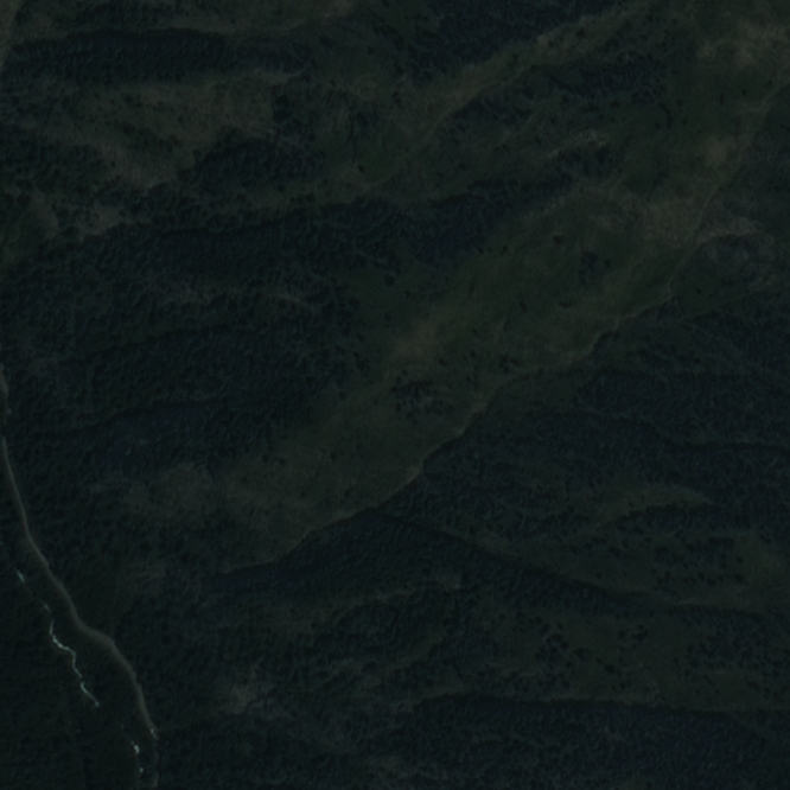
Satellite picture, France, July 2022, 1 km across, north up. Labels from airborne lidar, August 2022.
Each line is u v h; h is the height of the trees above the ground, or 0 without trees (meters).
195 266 17
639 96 10
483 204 18
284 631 6
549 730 18
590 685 0
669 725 13
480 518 8
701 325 10
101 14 18
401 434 0
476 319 0
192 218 19
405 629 20
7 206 7
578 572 0
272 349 8
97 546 11
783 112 0
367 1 0
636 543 0
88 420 12
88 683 16
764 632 7
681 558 6
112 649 0
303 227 21
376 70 0
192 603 6
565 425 8
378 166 0
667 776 9
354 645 12
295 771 9
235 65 7
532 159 0
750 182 0
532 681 10
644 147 0
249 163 29
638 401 18
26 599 24
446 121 0
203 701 13
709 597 0
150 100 0
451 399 0
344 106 7
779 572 0
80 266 6
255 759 10
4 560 23
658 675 0
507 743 17
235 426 18
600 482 9
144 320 7
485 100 0
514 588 13
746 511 10
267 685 13
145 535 7
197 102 0
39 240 9
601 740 12
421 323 0
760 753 8
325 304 16
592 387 8
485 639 9
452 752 13
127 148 12
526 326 0
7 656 18
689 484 8
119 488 12
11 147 6
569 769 11
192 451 8
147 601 8
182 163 11
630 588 0
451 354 0
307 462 0
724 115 0
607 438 15
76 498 12
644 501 6
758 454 11
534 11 13
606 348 0
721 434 12
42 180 7
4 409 6
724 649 11
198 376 15
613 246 0
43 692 22
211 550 8
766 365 16
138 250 16
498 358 0
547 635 11
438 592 17
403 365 0
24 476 11
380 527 20
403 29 0
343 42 0
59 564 23
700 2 0
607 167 8
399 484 0
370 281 0
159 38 8
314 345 13
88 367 24
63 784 16
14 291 5
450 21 12
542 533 13
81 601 6
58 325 18
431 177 0
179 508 8
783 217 0
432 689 9
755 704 0
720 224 0
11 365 23
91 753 28
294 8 0
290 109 21
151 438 7
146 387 18
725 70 0
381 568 15
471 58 10
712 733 13
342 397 8
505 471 14
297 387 12
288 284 15
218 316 11
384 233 20
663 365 12
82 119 9
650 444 26
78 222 6
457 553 13
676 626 0
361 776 7
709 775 11
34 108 11
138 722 7
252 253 20
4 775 15
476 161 0
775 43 0
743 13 0
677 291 0
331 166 0
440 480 13
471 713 14
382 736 15
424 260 10
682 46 0
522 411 0
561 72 0
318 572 19
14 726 30
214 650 7
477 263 0
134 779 17
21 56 20
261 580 16
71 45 9
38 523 8
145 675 9
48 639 26
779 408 12
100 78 12
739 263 0
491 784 18
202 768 17
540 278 0
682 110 0
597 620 0
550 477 0
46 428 20
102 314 8
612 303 0
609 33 0
